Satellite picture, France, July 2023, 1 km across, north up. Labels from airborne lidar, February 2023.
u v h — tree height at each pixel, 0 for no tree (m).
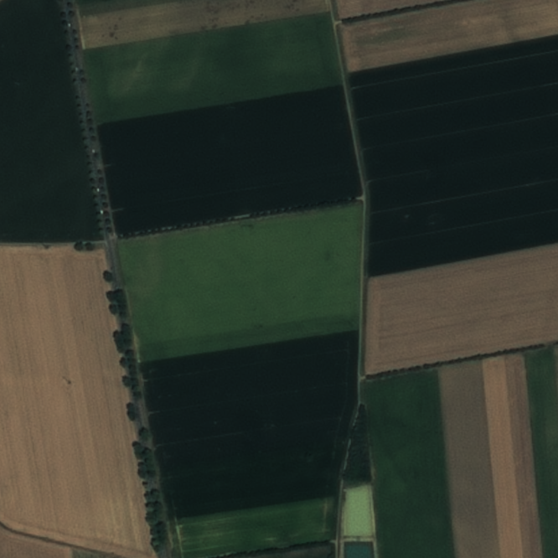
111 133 0
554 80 0
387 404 0
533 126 0
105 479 0
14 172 0
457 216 0
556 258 0
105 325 0
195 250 0
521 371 0
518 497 0
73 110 0
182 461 0
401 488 0
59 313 0
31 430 0
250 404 0
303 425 0
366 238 0
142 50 0
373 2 0
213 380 0
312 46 0
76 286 0
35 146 0
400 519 0
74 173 0
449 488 0
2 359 0
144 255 0
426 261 0
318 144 0
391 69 0
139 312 0
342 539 0
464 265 0
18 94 0
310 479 0
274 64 0
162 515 20
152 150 0
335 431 0
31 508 0
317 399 0
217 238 0
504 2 0
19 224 0
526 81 0
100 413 0
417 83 0
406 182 0
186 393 0
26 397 0
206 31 0
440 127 0
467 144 0
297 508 0
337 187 0
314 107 0
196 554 0
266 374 0
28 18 0
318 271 0
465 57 0
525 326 0
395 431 0
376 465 0
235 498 0
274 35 0
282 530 0
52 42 0
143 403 0
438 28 0
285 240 0
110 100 0
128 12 0
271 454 0
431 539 0
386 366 0
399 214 0
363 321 0
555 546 0
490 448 0
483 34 0
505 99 0
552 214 0
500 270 0
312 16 0
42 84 0
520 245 0
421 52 0
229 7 0
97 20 0
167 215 0
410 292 0
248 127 0
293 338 0
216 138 0
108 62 0
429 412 0
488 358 8
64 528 0
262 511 0
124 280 0
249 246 0
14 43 0
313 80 0
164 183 0
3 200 0
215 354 0
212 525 0
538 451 0
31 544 0
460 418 0
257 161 0
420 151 0
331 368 0
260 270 0
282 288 0
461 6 0
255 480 0
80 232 0
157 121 0
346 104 0
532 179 0
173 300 0
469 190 0
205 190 0
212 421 0
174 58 0
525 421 0
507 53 0
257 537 0
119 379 0
